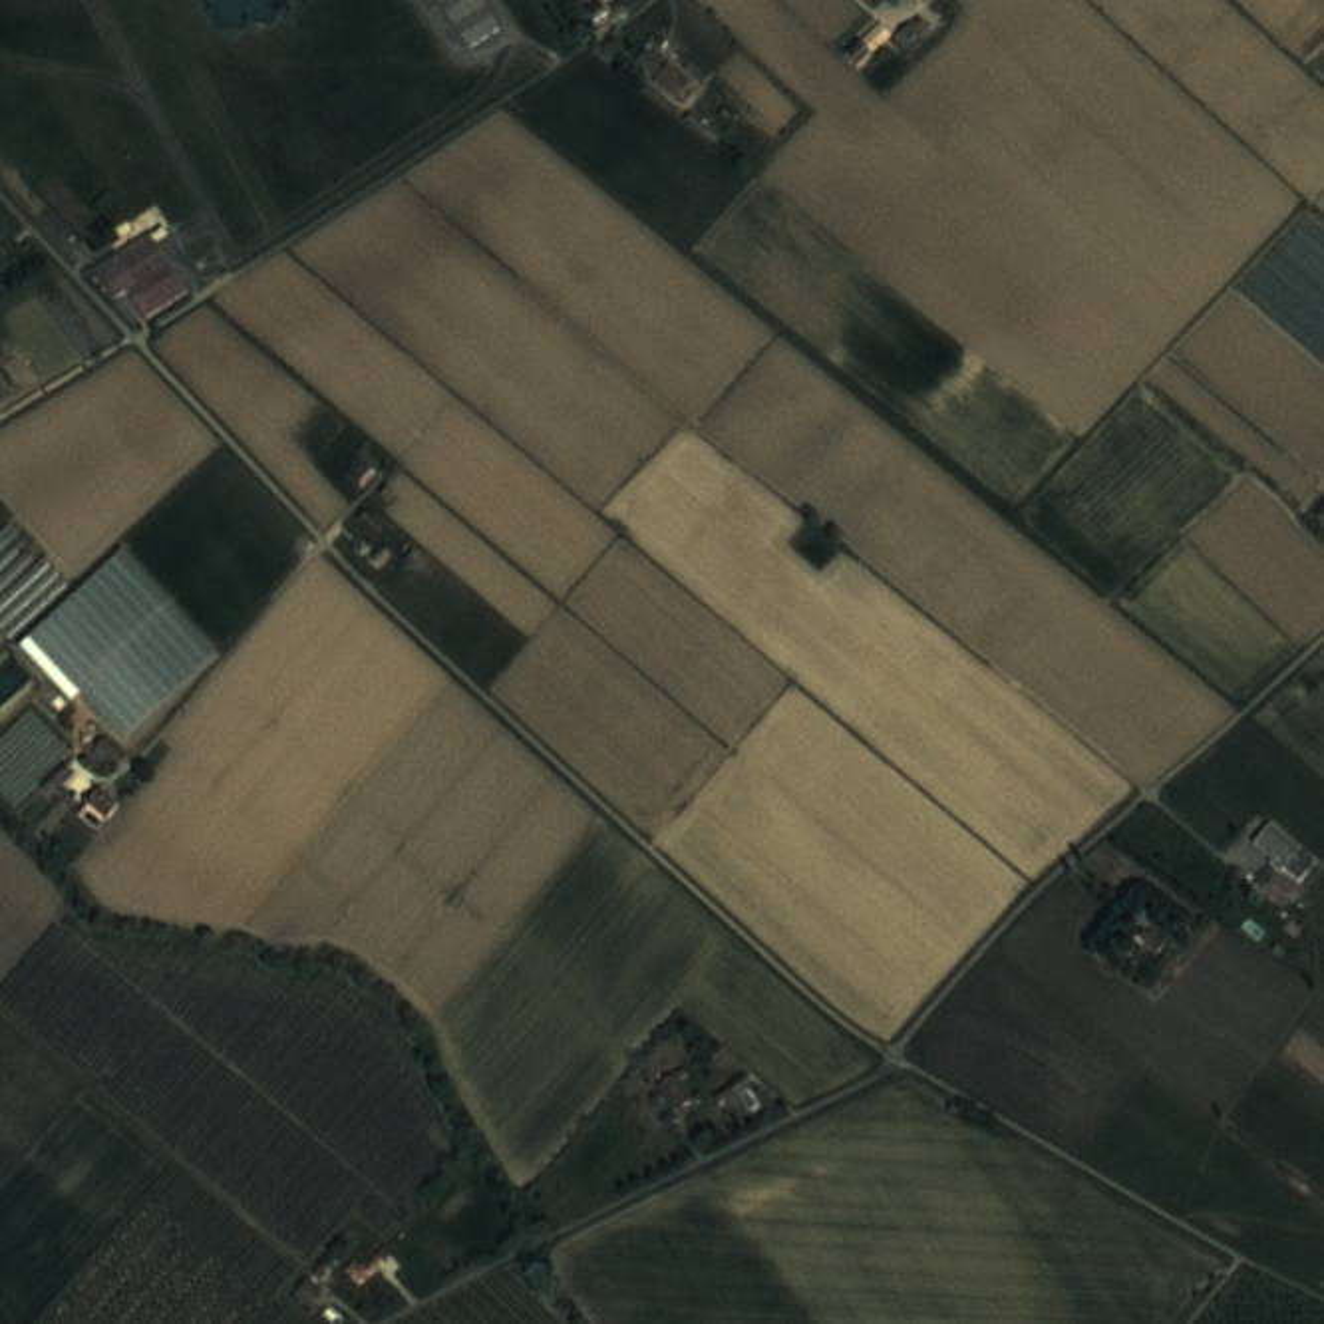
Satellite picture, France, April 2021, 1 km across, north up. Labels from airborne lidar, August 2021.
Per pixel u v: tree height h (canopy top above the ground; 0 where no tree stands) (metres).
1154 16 0
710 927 0
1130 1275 0
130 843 0
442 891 0
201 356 0
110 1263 6
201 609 0
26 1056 0
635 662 0
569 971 0
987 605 0
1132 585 0
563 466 0
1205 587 0
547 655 0
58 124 0
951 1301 0
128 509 0
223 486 0
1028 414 0
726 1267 0
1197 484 0
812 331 0
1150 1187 0
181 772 0
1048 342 0
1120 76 0
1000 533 0
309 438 0
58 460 0
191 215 0
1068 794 0
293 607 0
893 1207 0
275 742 0
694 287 0
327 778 0
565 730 0
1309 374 0
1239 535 0
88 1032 7
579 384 0
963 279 0
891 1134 0
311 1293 0
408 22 0
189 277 0
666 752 0
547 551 0
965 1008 0
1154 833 0
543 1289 25
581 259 0
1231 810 0
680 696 0
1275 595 0
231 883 0
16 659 0
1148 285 0
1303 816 0
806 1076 0
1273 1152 0
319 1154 6
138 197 0
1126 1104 0
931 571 0
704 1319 0
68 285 0
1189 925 11
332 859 0
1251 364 0
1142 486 0
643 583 0
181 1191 6
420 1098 6
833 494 0
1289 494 0
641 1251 0
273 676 0
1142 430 0
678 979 0
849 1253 0
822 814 0
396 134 0
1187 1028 0
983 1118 6
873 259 0
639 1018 0
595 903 0
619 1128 0
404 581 0
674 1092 0
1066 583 0
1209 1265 0
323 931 0
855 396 0
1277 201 0
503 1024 0
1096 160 0
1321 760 0
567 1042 0
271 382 0
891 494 0
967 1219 0
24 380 0
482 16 0
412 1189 6
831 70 0
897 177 0
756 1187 0
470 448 0
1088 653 0
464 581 0
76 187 0
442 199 0
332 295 0
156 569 0
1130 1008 0
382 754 0
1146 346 0
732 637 0
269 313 0
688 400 0
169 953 6
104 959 6
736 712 0
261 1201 6
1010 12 0
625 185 0
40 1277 0
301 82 0
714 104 0
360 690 0
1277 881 0
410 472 0
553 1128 0
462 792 0
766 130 0
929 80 0
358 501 0
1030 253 0
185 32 0
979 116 0
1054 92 0
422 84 0
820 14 0
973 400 0
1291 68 0
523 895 0
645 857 0
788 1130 0
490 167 0
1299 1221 0
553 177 0
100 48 0
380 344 0
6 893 0
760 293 0
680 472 0
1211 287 0
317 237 0
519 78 0
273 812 0
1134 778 0
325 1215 6
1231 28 0
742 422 0
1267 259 0
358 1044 6
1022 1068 0
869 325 0
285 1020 6
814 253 0
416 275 0
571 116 0
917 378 0
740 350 0
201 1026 6
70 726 0
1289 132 0
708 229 0
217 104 0
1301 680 0
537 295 0
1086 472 0
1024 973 0
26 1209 0
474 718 0
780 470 0
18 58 0
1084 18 0
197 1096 6
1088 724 0
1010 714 0
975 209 0
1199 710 0
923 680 0
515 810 0
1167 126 0
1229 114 0
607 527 0
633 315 0
